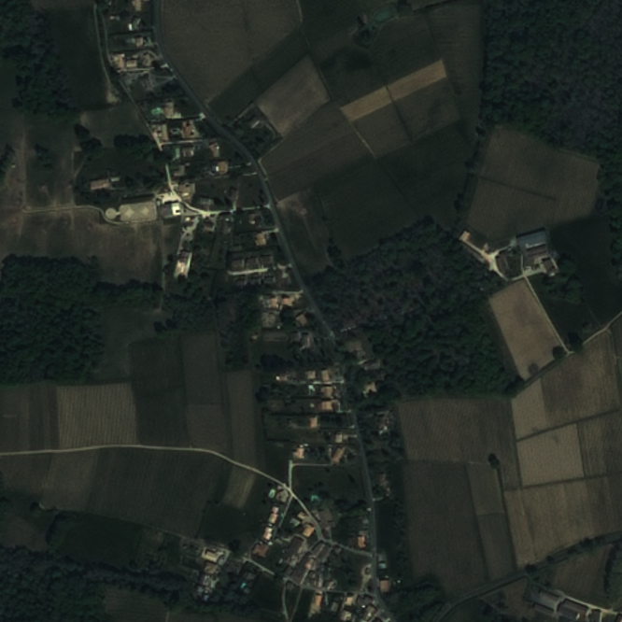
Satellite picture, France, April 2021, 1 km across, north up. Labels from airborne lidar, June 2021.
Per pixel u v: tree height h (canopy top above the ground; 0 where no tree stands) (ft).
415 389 46
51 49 37
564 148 43
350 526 30
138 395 0
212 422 0
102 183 0
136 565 37
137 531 0
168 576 22
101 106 0
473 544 0
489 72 54
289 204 0
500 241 0
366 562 0
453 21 0
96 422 0
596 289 0
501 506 0
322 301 56
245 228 0
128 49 34
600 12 47
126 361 0
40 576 36
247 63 0
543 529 0
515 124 73
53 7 0
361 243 0
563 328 0
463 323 41
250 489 0
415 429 0
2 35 77
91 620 56
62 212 0
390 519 0
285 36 0
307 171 0
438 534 0
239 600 35
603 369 0
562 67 41
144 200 0
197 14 0
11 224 0
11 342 75
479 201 0
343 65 0
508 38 78
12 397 0
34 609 57
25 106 51
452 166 0
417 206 0
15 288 82
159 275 0
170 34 0
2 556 57
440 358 28
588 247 0
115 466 0
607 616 0
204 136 35
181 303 44
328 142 0
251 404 0
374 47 0
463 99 0
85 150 48
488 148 0
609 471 0
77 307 62
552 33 63
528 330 0
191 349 0
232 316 43
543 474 0
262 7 0
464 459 0
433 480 0
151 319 0
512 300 0
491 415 0
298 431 0
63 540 65
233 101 0
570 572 0
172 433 0
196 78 0
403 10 65
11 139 0
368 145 0
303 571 0
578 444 0
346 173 0
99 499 0
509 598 0
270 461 0
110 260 0
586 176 0
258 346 0
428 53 0
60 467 0
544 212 0
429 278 20
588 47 65
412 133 0
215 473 0
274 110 0
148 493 0
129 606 0
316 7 0
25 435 0
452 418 0
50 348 57
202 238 24
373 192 0
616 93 36
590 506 0
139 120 0
